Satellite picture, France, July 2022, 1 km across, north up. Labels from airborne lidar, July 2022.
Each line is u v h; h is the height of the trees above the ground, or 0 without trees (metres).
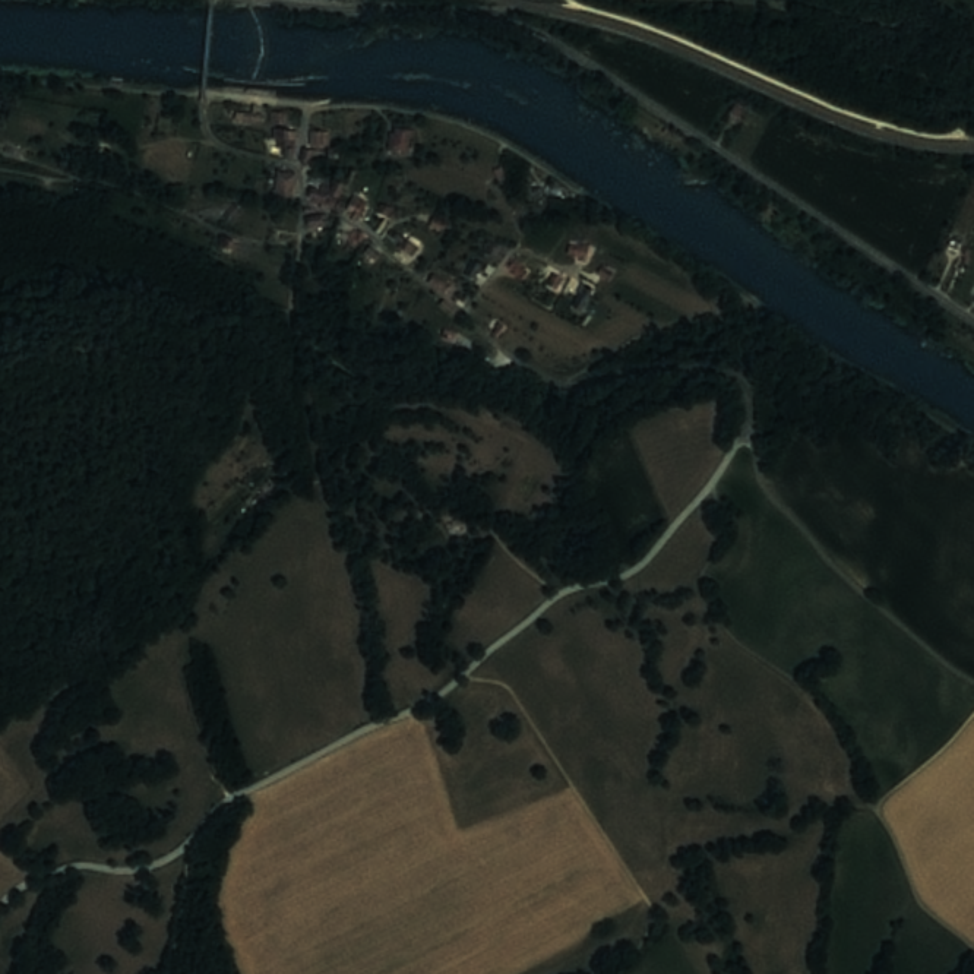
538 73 0
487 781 0
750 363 22
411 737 0
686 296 0
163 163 0
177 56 0
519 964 0
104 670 20
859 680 0
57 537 24
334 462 17
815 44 18
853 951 0
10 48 0
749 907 0
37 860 18
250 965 0
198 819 0
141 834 23
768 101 17
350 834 0
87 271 8
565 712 0
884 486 0
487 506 15
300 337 9
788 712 0
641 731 0
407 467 14
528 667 0
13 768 0
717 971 13
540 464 0
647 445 0
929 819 0
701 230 0
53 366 7
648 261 0
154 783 27
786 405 21
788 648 0
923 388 0
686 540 0
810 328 0
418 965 0
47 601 20
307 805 0
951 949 0
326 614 0
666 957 0
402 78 0
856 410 15
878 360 0
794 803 0
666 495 0
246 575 0
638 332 0
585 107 0
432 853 0
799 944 0
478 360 15
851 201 0
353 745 0
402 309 10
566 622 0
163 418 21
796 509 0
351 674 0
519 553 18
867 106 12
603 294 0
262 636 0
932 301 13
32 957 16
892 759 0
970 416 0
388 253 0
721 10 14
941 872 0
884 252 0
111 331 12
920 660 0
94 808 22
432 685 0
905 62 14
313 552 0
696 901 20
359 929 0
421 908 0
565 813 0
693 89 0
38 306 21
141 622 28
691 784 0
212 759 10
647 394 18
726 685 0
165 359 23
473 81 0
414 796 0
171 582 21
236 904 0
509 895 0
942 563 0
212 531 0
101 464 19
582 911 0
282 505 13
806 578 0
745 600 0
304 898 0
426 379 20
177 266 10
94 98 0
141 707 0
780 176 0
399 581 0
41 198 14
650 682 16
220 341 21
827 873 21
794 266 0
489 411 13
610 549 19
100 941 0
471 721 0
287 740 0
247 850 0
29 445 21
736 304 24
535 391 15
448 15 34
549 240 0
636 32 0
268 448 14
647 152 0
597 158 0
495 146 0
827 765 0
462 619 0
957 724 0
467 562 7
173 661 0
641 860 0
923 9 14
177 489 25
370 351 21
